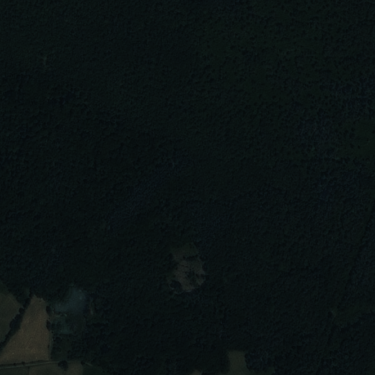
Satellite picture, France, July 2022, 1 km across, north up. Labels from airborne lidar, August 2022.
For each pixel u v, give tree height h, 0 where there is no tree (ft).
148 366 102
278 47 24
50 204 73
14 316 0
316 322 64
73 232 77
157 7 59
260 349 91
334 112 47
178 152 73
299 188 54
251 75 24
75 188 54
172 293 73
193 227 46
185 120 48
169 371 79
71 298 0
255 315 69
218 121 41
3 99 71
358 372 70
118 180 58
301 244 37
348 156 31
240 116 46
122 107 56
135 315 77
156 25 66
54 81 55
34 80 93
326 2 42
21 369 0
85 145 85
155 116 47
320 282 71
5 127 79
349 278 23
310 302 72
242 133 50
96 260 54
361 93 41
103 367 23
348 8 66
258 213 68
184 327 77
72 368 0
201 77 48
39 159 72
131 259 76
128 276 62
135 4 74
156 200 61
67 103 93
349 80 33
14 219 52
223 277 70
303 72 24
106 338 94
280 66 72
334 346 22
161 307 79
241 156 52
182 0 55
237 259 64
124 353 75
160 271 63
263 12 23
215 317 78
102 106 72
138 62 51
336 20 25
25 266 37
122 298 77
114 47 66
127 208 86
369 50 36
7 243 58
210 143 35
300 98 29
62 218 71
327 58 59
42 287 66
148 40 57
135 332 93
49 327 51
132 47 52
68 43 60
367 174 57
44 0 43
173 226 72
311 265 72
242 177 61
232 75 22
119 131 101
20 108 74
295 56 22
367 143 26
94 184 72
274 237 64
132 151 72
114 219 82
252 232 52
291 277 70
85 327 22
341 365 65
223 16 65
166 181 79
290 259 55
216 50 22
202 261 64
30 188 58
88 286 72
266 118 55
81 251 75
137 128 50
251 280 79
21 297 44
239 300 75
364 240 32
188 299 64
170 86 54
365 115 61
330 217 63
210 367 101
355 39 57
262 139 63
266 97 29
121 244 85
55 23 48
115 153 85
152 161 78
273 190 87
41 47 46
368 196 57
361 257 82
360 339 69
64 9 31
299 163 33
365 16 29
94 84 46
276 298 65
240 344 74
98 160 79
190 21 50
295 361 84
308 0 28
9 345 0
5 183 71
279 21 22
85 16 38
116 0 79
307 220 68
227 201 74
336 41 33
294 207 58
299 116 28
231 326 94
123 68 54
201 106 27
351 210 48
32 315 0
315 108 60
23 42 49
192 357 87
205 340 94
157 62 59
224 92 54
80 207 68
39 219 71
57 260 63
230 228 86
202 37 25
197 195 58
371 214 27
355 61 68
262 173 60
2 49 83
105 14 54
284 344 68
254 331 83
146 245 65
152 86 46
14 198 64
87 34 53
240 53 22
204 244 79
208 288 73
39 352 0
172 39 58
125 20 60
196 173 57
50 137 63
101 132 71
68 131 73
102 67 54
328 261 95
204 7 59
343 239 56
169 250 66
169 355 84
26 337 0
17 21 41
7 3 36
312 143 28
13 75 57
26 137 87
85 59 59
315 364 74
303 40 18
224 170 52
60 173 77
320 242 49
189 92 36
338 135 48
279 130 28
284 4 26
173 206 36
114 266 64
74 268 72
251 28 37
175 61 52
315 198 29
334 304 77
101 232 72
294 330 66
